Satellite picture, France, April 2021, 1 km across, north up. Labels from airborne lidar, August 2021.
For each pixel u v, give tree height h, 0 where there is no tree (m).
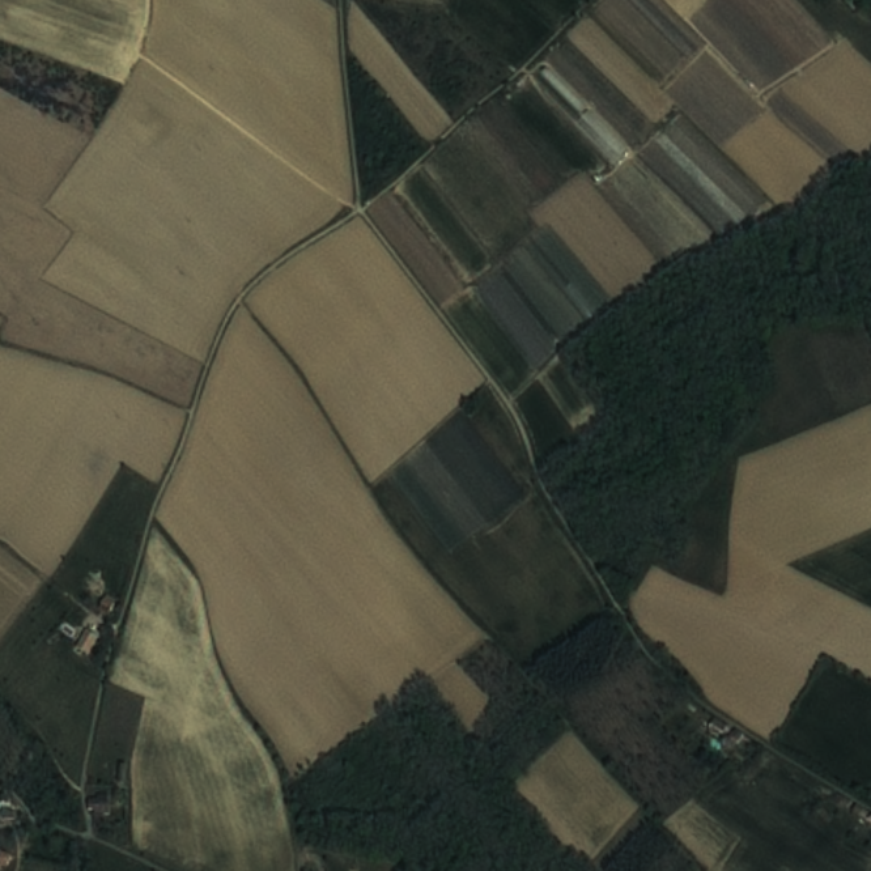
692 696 16
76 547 0
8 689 0
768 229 19
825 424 0
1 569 0
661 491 20
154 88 0
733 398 23
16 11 0
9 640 0
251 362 0
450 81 0
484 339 0
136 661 0
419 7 0
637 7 0
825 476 0
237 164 0
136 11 0
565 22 0
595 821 0
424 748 21
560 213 0
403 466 0
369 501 0
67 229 0
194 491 0
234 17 0
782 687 0
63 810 19
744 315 20
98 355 0
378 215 0
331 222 0
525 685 11
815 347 0
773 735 7
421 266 0
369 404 0
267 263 0
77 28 0
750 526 0
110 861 0
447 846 22
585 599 0
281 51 0
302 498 0
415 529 0
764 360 15
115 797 10
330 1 0
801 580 0
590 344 15
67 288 0
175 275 0
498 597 0
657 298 14
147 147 0
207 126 0
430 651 0
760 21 0
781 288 23
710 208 0
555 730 17
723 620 0
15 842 20
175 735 0
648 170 0
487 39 0
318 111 0
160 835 0
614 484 19
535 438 0
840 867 0
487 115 0
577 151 0
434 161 0
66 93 0
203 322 0
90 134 0
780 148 0
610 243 0
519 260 0
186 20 0
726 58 0
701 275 20
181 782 0
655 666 12
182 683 0
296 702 0
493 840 25
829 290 21
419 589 0
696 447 18
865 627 0
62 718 0
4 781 21
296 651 0
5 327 0
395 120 8
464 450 0
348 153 0
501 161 0
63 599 0
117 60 0
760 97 0
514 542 0
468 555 0
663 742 16
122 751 0
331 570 0
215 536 0
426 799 6
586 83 0
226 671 0
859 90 0
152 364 0
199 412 0
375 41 0
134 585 0
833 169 15
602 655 15
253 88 0
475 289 0
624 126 0
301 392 0
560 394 0
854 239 21
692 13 0
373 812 5
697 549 0
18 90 0
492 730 13
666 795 16
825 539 0
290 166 0
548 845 20
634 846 14
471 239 0
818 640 0
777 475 0
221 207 0
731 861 0
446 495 0
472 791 22
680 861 14
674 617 0
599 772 0
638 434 22
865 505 0
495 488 0
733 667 0
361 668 0
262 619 0
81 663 0
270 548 0
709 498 0
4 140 0
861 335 0
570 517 19
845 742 0
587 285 0
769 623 0
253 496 0
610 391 10
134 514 0
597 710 19
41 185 0
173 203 0
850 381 0
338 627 0
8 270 0
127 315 0
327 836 15
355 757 6
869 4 20
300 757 0
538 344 0
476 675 11
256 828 0
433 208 0
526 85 0
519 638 0
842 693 0
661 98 0
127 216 0
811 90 0
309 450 0
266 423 0
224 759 0
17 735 28
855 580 0
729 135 0
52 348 0
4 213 0
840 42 0
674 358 24
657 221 0
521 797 16
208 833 0
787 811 0
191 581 0
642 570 12
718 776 9
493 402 0
